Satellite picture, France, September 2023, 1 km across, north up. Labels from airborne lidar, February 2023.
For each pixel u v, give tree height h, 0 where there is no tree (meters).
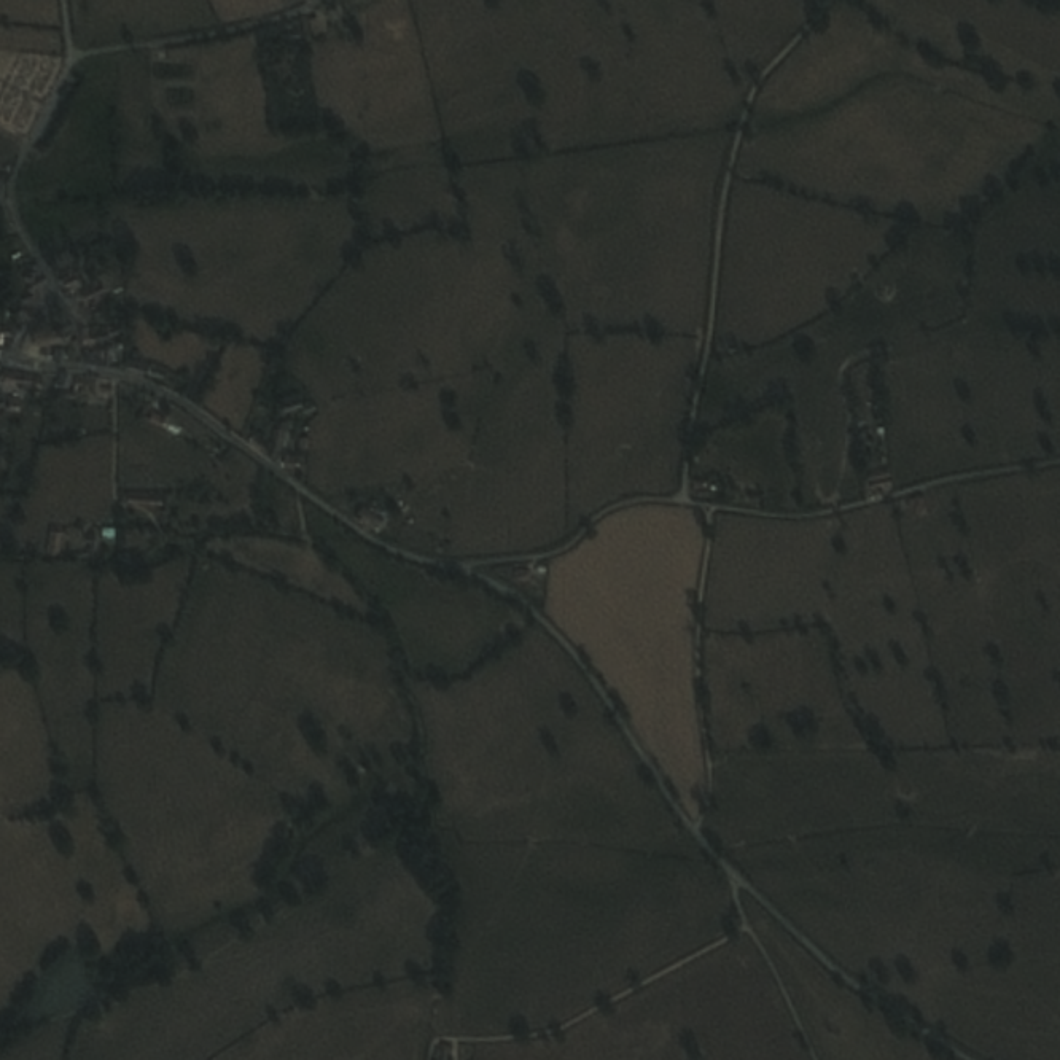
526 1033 11
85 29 0
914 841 0
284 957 0
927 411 0
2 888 0
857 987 0
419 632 0
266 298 0
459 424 16
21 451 0
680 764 0
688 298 0
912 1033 12
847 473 0
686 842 0
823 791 0
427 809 8
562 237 0
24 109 0
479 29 0
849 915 0
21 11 0
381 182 0
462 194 22
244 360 0
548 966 0
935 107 0
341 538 0
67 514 0
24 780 0
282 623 0
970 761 0
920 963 0
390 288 0
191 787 0
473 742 0
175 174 13
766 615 0
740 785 0
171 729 0
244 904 0
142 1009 0
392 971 0
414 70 0
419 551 0
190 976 0
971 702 0
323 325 0
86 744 0
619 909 0
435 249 0
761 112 0
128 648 0
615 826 0
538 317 0
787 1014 0
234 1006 0
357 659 0
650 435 0
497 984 0
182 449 0
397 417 0
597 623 0
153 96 0
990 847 0
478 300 0
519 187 0
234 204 0
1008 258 0
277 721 0
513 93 0
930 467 0
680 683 0
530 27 0
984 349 0
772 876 0
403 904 0
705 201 0
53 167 0
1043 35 0
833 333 0
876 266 12
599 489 0
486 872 0
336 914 0
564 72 0
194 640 0
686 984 0
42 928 0
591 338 11
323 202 0
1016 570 0
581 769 0
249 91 0
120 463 0
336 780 0
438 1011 0
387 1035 0
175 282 0
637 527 0
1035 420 0
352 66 0
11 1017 12
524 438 0
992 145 0
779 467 0
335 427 0
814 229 0
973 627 0
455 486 0
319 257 0
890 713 0
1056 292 0
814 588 0
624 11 11
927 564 0
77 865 0
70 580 0
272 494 0
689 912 0
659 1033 0
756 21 0
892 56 0
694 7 0
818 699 0
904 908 0
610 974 0
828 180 0
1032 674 0
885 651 0
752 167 0
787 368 0
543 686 0
